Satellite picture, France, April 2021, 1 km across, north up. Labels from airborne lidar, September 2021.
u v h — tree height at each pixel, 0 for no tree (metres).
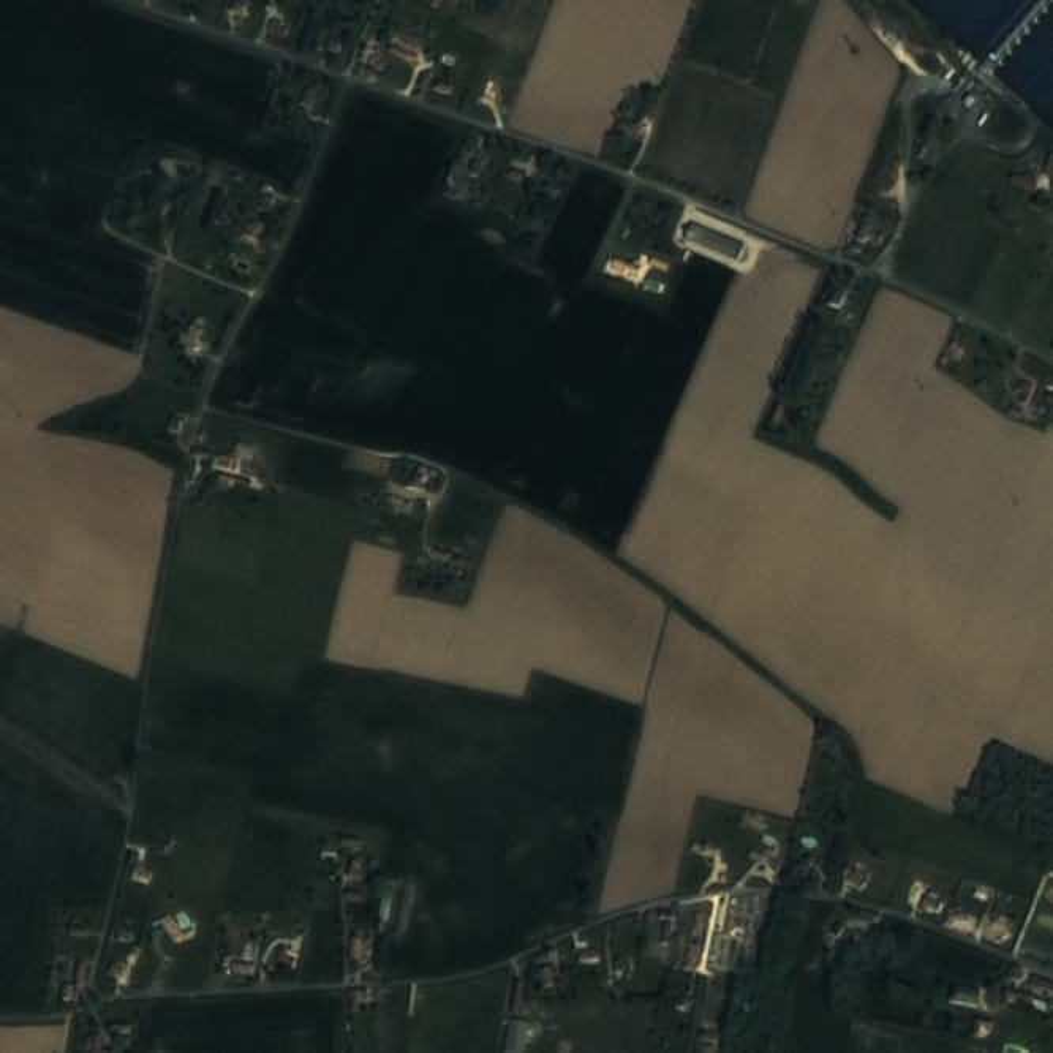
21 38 0
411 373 0
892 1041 0
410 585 7
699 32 0
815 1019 0
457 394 0
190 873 0
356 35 10
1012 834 7
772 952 16
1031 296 0
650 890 0
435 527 0
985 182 0
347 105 0
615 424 0
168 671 0
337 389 0
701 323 0
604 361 0
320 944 0
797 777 0
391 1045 0
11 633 0
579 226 0
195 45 0
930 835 0
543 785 0
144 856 0
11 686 0
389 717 0
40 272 0
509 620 0
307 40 19
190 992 0
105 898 0
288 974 12
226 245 7
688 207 0
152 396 0
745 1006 20
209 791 0
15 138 0
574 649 0
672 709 0
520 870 0
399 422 0
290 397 0
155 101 0
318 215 0
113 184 0
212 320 0
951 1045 0
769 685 0
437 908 0
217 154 0
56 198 0
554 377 0
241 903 0
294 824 0
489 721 0
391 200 0
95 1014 15
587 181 0
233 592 0
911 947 26
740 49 0
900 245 0
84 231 0
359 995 0
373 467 0
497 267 0
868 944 21
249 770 0
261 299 0
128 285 0
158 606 0
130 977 0
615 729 0
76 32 0
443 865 0
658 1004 10
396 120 0
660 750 0
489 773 0
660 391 0
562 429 0
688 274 0
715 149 0
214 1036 0
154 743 0
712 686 0
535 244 16
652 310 0
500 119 0
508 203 0
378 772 0
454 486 0
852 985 26
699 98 0
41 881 0
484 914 0
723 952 0
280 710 0
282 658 0
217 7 0
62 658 0
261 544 0
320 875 6
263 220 9
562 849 0
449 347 0
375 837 0
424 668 0
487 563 0
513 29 0
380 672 0
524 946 0
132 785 0
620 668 0
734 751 0
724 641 0
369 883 9
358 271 0
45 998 10
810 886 15
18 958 0
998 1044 0
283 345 0
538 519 0
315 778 0
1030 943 0
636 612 0
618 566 0
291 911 0
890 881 0
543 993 9
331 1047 0
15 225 0
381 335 0
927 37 0
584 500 0
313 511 0
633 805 0
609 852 0
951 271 0
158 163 0
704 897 0
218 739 0
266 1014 0
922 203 0
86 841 0
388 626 0
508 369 0
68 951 0
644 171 12
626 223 7
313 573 0
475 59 0
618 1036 0
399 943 0
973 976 0
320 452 0
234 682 0
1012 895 0
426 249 0
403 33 15
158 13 0
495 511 0
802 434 27
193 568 0
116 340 0
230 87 0
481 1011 0
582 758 0
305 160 0
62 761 19
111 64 0
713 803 0
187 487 10
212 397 0
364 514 6
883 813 0
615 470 0
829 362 15
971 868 0
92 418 0
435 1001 0
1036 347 0
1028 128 0
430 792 0
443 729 0
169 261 0
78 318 0
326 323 0
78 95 0
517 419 0
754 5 0
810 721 0
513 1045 0
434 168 0
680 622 0
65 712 0
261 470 0
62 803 0
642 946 9
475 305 0
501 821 0
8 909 0
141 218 9
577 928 0
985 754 8
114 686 0
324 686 0
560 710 0
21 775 0
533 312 0
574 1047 0
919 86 0
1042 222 0
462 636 0
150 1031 0
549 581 0
